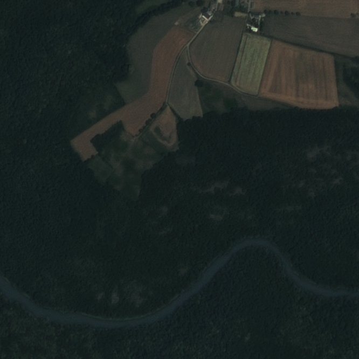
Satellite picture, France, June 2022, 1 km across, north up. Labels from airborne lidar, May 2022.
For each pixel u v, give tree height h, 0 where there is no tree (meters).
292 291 17
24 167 10
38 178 11
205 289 24
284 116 13
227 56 0
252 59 0
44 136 14
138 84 0
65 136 10
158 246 15
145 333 10
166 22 0
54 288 10
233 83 0
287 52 0
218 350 15
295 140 16
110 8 16
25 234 11
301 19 0
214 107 0
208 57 0
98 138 14
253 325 19
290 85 0
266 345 28
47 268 10
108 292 14
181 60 0
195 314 24
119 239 11
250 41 0
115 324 0
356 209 19
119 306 17
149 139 0
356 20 0
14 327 15
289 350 21
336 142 9
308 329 16
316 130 16
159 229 7
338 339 29
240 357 19
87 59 18
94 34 16
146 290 7
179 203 10
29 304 0
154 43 0
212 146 19
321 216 23
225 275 17
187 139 17
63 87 10
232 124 14
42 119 16
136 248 6
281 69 0
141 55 0
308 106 0
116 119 0
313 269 12
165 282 7
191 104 0
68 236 12
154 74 0
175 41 0
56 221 12
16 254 10
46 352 17
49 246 15
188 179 11
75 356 15
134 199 0
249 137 16
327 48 0
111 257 14
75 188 18
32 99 15
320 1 0
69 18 13
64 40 14
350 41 0
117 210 6
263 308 26
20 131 15
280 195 17
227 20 0
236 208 10
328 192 12
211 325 15
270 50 0
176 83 0
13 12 15
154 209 10
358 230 10
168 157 8
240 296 9
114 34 19
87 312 10
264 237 18
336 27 0
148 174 12
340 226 16
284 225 10
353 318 13
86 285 7
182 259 14
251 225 9
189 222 18
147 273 11
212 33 0
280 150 8
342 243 13
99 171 0
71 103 21
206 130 8
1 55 17
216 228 10
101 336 30
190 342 14
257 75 0
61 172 19
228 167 16
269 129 16
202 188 9
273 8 0
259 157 11
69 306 13
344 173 9
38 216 17
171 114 0
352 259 17
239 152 12
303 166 11
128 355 18
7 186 20
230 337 12
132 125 0
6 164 20
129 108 0
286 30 0
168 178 12
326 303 25
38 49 14
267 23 0
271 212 16
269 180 16
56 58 13
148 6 0
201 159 18
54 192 18
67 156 16
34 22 23
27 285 23
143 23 15
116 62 26
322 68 0
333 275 14
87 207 17
